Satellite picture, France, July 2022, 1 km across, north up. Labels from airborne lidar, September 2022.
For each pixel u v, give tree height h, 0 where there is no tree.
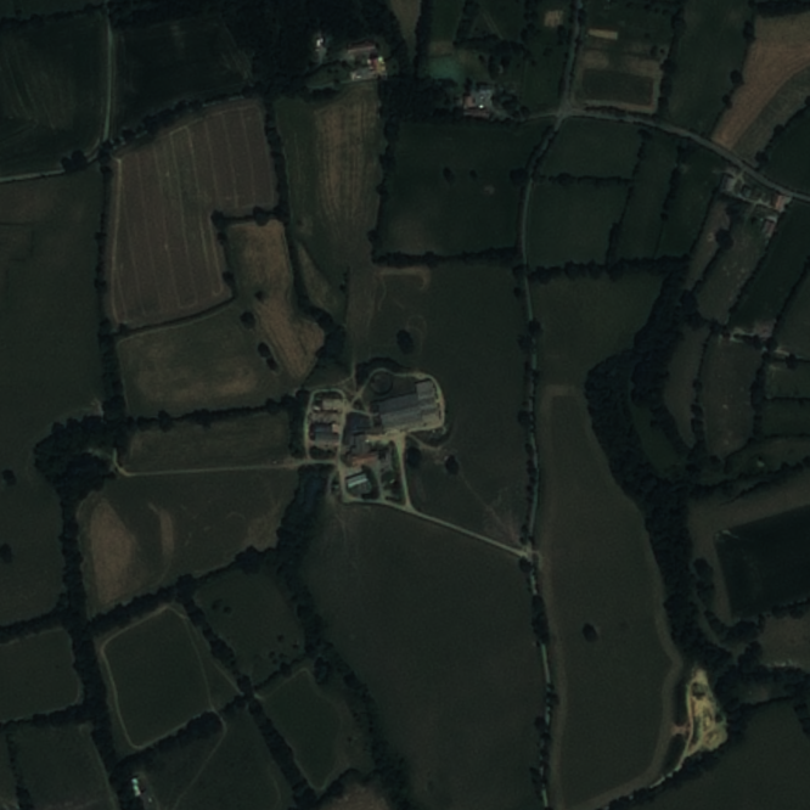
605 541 0
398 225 0
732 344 0
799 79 0
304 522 8
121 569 0
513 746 0
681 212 0
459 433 0
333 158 0
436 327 0
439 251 0
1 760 0
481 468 0
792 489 0
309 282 0
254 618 0
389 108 7
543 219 0
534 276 9
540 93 0
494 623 0
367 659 0
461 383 0
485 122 7
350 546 0
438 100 16
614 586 0
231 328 0
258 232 0
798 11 10
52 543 0
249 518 0
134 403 0
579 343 0
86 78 0
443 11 0
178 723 0
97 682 15
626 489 18
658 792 6
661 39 0
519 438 0
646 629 0
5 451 0
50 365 0
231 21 17
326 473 10
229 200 0
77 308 0
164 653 0
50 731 0
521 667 0
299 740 0
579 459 0
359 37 7
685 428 0
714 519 0
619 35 0
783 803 0
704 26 0
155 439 0
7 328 0
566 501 0
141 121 0
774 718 0
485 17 0
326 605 0
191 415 7
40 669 0
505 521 0
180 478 0
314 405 0
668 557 24
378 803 0
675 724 0
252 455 0
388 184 6
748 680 14
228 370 0
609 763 0
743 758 0
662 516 25
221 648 19
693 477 22
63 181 0
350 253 0
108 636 0
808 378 0
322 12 11
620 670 0
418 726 0
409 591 0
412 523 0
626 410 9
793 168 0
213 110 0
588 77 0
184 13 12
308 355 0
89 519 0
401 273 0
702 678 0
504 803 0
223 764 0
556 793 0
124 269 0
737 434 0
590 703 0
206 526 0
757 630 15
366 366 10
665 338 22
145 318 0
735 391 0
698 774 18
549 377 0
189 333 0
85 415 0
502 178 0
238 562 16
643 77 0
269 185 0
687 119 0
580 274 13
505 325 0
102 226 7
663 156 0
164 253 0
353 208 0
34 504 0
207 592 0
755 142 0
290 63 13
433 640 0
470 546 0
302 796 20
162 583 0
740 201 8
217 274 0
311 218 0
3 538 0
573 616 0
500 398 0
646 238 0
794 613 13
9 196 0
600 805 0
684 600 23
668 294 14
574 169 0
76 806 0
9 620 0
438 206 0
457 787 0
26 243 0
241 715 0
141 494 0
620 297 0
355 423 0
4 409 0
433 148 0
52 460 24
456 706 0
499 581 0
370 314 0
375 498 6
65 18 10
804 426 0
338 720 0
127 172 0
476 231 0
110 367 8
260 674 0
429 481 0
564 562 0
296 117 0
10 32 15
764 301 0
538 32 6
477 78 0
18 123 0
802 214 0
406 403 0
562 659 0
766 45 0
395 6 0
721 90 0
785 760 0
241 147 0
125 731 0
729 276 0
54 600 0
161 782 0
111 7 11
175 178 0
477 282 0
